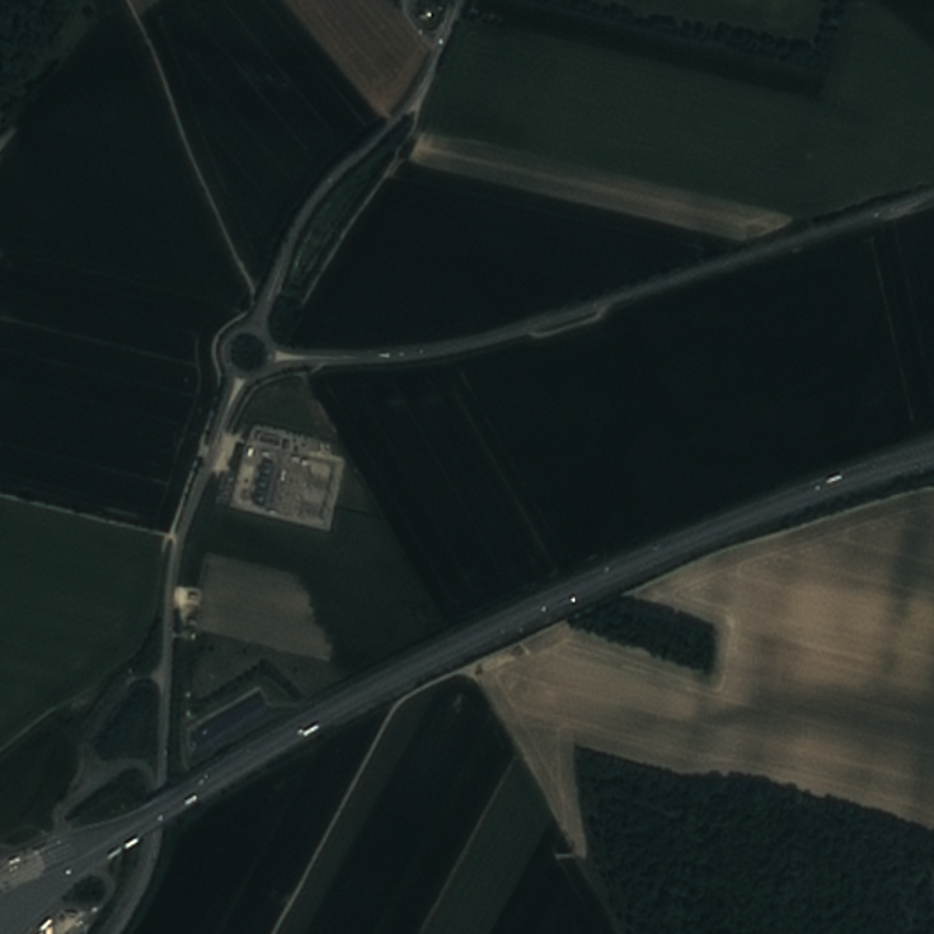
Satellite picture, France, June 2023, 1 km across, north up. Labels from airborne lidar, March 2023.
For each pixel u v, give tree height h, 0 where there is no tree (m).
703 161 0
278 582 0
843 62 0
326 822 0
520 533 0
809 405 0
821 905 18
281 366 0
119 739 10
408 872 0
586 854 0
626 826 15
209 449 0
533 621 0
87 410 0
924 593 0
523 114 0
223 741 0
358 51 0
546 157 0
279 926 0
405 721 0
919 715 0
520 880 0
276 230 0
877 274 0
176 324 0
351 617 0
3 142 0
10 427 0
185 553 0
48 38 22
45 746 0
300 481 0
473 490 0
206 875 0
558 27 0
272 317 8
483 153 0
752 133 0
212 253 0
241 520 0
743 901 17
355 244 0
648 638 12
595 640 0
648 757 0
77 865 0
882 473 0
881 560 0
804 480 0
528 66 0
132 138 0
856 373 0
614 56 0
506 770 0
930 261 0
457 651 0
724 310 0
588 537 0
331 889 0
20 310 0
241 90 0
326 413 0
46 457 0
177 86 0
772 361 0
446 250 0
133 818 0
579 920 0
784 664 0
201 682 0
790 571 0
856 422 0
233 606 0
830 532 0
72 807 0
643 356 0
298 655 0
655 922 12
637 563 0
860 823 13
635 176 0
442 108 0
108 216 0
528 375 0
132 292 0
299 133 0
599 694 0
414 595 0
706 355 0
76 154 0
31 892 0
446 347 0
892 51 0
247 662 0
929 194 0
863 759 0
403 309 0
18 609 0
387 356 0
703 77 0
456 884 0
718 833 18
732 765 0
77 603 0
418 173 0
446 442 0
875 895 19
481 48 0
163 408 0
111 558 0
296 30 0
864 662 0
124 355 0
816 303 0
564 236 0
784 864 9
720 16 0
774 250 0
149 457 0
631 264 0
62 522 0
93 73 0
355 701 0
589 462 0
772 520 0
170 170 0
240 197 0
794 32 0
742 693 0
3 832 0
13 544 0
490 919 0
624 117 0
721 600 0
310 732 0
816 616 0
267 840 0
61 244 0
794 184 0
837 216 7
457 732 0
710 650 13
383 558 0
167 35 0
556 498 0
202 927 0
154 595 0
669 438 0
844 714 0
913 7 0
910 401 0
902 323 0
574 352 0
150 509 0
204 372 0
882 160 0
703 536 0
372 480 0
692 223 0
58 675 0
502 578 0
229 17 0
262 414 0
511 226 0
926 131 0
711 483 0
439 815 0
